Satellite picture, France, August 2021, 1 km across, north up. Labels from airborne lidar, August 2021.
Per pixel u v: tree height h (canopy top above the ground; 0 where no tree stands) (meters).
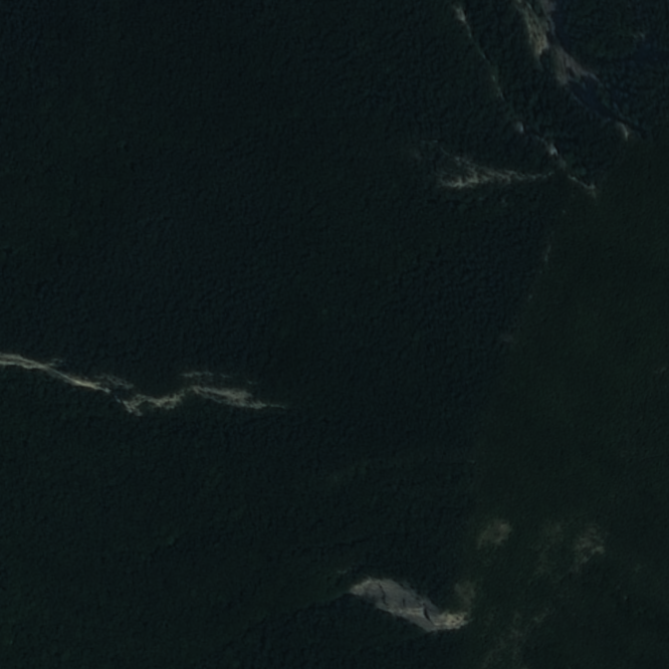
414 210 22
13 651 18
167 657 23
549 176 7
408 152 7
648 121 25
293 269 19
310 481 14
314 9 23
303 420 24
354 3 23
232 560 20
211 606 25
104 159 24
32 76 28
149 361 17
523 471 13
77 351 15
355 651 24
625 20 16
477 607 6
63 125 20
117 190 20
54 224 23
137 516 23
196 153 17
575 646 14
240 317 18
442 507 15
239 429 20
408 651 20
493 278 12
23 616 22
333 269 23
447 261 14
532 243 11
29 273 29
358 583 14
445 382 17
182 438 28
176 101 20
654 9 11
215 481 26
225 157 14
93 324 17
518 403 14
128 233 15
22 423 22
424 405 23
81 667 24
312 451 19
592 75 0
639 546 15
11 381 22
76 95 23
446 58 23
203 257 14
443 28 19
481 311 11
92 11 18
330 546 19
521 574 12
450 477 17
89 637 27
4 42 26
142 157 15
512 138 7
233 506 19
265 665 31
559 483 15
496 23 27
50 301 17
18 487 28
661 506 15
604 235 17
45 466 25
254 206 15
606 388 13
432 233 22
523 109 17
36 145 23
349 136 14
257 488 21
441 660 16
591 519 8
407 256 22
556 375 14
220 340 17
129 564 27
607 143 19
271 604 22
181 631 23
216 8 24
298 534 17
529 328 9
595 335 13
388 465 14
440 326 11
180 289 16
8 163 23
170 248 11
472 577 6
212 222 13
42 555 18
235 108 20
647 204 14
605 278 16
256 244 17
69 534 24
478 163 6
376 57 25
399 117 12
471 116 17
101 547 23
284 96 19
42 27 28
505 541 8
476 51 11
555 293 13
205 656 25
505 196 11
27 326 18
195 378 8
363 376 20
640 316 13
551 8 0
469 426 12
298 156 18
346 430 17
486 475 9
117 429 23
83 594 25
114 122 20
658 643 11
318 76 21
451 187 9
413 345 26
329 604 11
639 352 15
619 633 15
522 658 10
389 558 22
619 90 16
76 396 21
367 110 14
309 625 25
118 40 17
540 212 13
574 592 8
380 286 18
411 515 13
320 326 18
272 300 19
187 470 27
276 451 24
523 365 13
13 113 25
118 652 28
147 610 27
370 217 19
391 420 24
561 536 6
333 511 20
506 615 12
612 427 14
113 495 23
